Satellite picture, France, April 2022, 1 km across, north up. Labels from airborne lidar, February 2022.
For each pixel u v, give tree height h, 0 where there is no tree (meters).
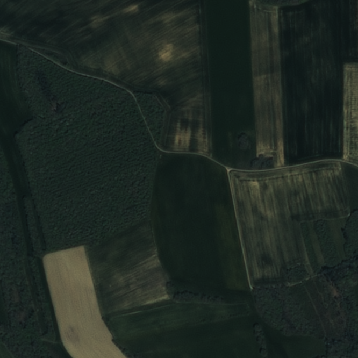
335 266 7
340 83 0
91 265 0
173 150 0
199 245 0
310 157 0
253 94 0
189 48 0
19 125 0
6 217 17
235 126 0
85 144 11
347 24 0
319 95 0
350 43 0
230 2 0
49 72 13
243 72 0
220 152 0
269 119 0
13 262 21
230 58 0
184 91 0
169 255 0
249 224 0
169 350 0
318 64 0
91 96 12
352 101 0
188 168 0
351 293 12
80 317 0
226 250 0
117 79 0
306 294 6
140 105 13
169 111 0
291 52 0
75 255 0
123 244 0
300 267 13
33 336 17
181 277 0
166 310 0
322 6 0
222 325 0
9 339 18
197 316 0
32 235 15
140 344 0
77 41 0
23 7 0
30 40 0
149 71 0
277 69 0
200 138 0
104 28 0
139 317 0
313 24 0
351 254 10
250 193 0
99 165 11
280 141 0
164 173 0
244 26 0
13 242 17
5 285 18
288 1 16
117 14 0
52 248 14
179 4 0
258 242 0
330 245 9
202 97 0
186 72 0
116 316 0
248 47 0
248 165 0
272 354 0
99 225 13
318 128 0
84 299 0
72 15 0
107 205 10
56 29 0
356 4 0
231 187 0
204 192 0
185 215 0
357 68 0
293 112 0
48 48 0
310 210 0
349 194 0
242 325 0
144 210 8
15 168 0
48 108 15
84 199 11
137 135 13
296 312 21
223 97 0
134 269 0
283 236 0
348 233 11
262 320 0
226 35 0
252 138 0
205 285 0
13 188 16
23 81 13
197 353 0
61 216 8
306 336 13
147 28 0
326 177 0
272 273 0
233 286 0
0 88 0
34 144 13
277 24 0
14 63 0
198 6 0
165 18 0
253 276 0
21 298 15
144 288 0
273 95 0
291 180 0
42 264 0
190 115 0
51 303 0
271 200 0
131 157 11
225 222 0
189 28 0
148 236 0
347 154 0
